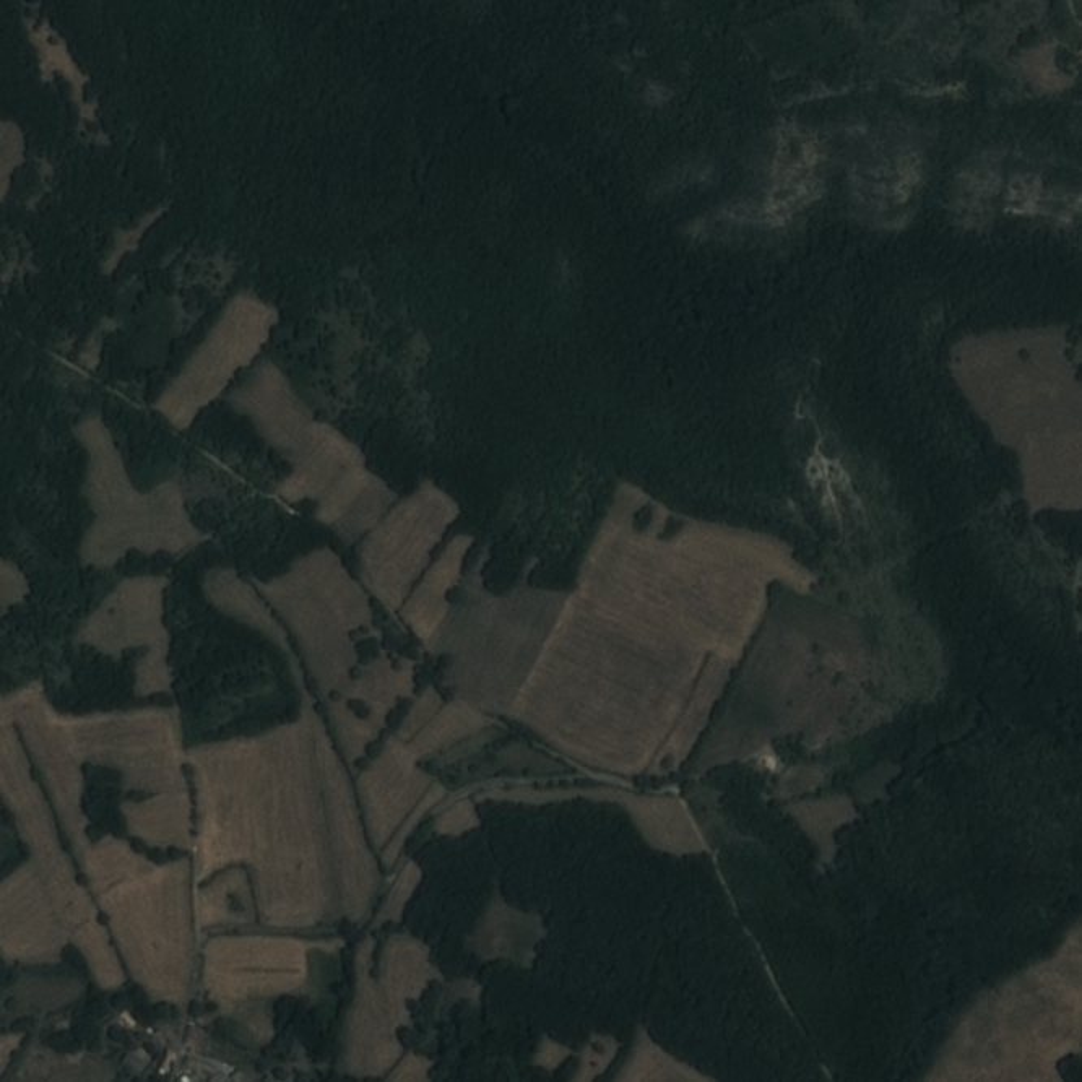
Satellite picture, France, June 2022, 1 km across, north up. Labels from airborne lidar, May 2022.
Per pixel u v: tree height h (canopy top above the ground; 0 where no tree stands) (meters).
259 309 0
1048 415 0
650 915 16
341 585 0
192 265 9
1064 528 15
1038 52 0
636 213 12
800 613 0
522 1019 13
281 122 16
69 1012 6
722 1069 18
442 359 9
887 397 15
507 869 13
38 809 0
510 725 9
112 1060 6
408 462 13
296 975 0
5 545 12
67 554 14
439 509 0
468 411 12
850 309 13
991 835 16
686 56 11
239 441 13
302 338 11
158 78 18
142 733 0
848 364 17
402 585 0
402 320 6
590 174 17
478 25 8
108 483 0
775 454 10
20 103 14
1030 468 0
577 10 8
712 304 26
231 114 12
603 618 0
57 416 11
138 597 0
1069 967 0
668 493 12
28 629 9
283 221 16
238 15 13
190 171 11
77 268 12
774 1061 11
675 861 19
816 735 0
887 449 15
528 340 8
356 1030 0
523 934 0
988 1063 0
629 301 18
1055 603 6
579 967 15
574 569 13
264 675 12
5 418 9
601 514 10
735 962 15
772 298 21
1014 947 16
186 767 12
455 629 0
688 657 0
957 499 9
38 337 11
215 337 0
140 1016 11
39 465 11
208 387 0
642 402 10
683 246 9
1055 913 16
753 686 0
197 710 11
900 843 18
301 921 0
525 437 12
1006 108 9
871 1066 8
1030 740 16
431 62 24
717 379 15
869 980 7
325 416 10
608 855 17
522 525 7
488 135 20
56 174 7
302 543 16
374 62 15
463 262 15
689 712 0
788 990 7
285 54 12
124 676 16
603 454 11
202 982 0
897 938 7
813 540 6
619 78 7
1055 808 20
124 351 17
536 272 8
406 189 22
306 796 0
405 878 0
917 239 11
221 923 0
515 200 6
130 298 0
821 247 21
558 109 13
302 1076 16
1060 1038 0
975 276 11
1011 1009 0
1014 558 7
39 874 0
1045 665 16
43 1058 0
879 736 12
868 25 6
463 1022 26
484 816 13
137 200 13
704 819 0
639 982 15
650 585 0
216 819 0
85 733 0
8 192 8
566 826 17
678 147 8
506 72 10
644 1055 0
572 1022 16
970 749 16
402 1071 0
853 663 0
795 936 6
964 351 0
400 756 0
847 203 6
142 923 0
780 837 16
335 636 0
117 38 10
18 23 13
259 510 8
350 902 0
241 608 0
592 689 0
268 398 0
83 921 0
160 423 10
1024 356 9
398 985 0
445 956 14
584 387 10
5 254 9
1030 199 0
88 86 10
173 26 11
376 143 16
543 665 0
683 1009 14
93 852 0
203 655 13
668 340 25
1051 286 14
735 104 7
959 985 14
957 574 14
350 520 0
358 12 15
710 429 6
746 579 0
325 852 0
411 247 15
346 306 8
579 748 0
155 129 13
